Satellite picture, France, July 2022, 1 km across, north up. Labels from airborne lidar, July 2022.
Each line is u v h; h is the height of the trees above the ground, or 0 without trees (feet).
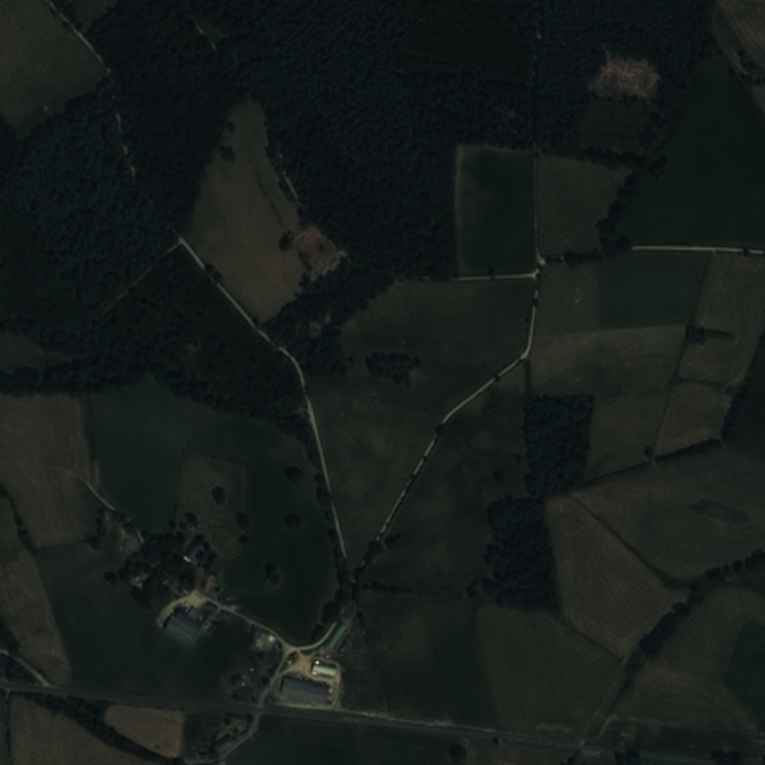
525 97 91
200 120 61
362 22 60
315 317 53
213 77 69
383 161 69
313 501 0
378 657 0
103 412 0
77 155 61
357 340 0
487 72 29
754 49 0
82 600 0
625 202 46
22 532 56
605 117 0
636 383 0
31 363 0
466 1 20
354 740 0
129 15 52
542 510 65
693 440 0
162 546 43
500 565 58
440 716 0
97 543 29
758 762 0
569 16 66
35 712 0
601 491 0
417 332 0
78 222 50
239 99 55
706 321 0
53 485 0
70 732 0
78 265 55
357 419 0
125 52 49
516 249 0
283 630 0
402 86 73
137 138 62
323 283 54
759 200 0
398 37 62
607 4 54
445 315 0
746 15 0
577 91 80
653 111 0
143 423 0
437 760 0
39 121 0
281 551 0
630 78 0
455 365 0
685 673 0
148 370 38
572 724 0
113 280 59
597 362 0
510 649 0
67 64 0
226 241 0
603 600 0
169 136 59
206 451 0
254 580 0
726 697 0
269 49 65
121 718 0
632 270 0
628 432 0
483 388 0
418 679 0
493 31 21
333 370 69
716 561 0
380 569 0
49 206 80
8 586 0
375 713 0
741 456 0
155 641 0
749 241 0
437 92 79
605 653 0
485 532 0
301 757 0
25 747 0
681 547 0
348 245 43
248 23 75
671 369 0
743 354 0
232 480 0
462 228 0
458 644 0
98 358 40
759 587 0
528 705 0
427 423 0
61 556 0
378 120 84
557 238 0
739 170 0
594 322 0
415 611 0
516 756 0
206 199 0
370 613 0
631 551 0
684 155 0
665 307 0
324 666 0
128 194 30
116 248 58
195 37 25
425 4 24
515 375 0
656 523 0
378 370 58
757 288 0
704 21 42
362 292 49
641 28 74
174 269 27
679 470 0
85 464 0
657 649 68
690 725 0
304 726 0
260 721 0
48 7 0
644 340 0
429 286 0
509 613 0
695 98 0
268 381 37
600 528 0
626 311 0
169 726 0
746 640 0
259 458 0
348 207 63
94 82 0
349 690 0
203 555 47
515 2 30
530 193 0
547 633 0
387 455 0
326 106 58
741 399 42
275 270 0
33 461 0
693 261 0
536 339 0
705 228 0
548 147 64
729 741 0
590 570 0
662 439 0
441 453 0
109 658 0
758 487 0
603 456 0
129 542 0
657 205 0
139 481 0
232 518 0
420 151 64
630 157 66
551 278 0
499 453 0
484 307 0
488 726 0
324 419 0
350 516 0
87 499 0
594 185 0
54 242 47
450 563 0
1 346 0
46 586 0
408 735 0
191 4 53
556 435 51
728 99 0
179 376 41
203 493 0
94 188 74
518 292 0
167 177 65
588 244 0
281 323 52
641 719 0
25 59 0
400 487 0
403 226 53
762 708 0
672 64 78
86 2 0
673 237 0
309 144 51
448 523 0
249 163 0
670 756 0
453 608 0
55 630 0
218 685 0
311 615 0
